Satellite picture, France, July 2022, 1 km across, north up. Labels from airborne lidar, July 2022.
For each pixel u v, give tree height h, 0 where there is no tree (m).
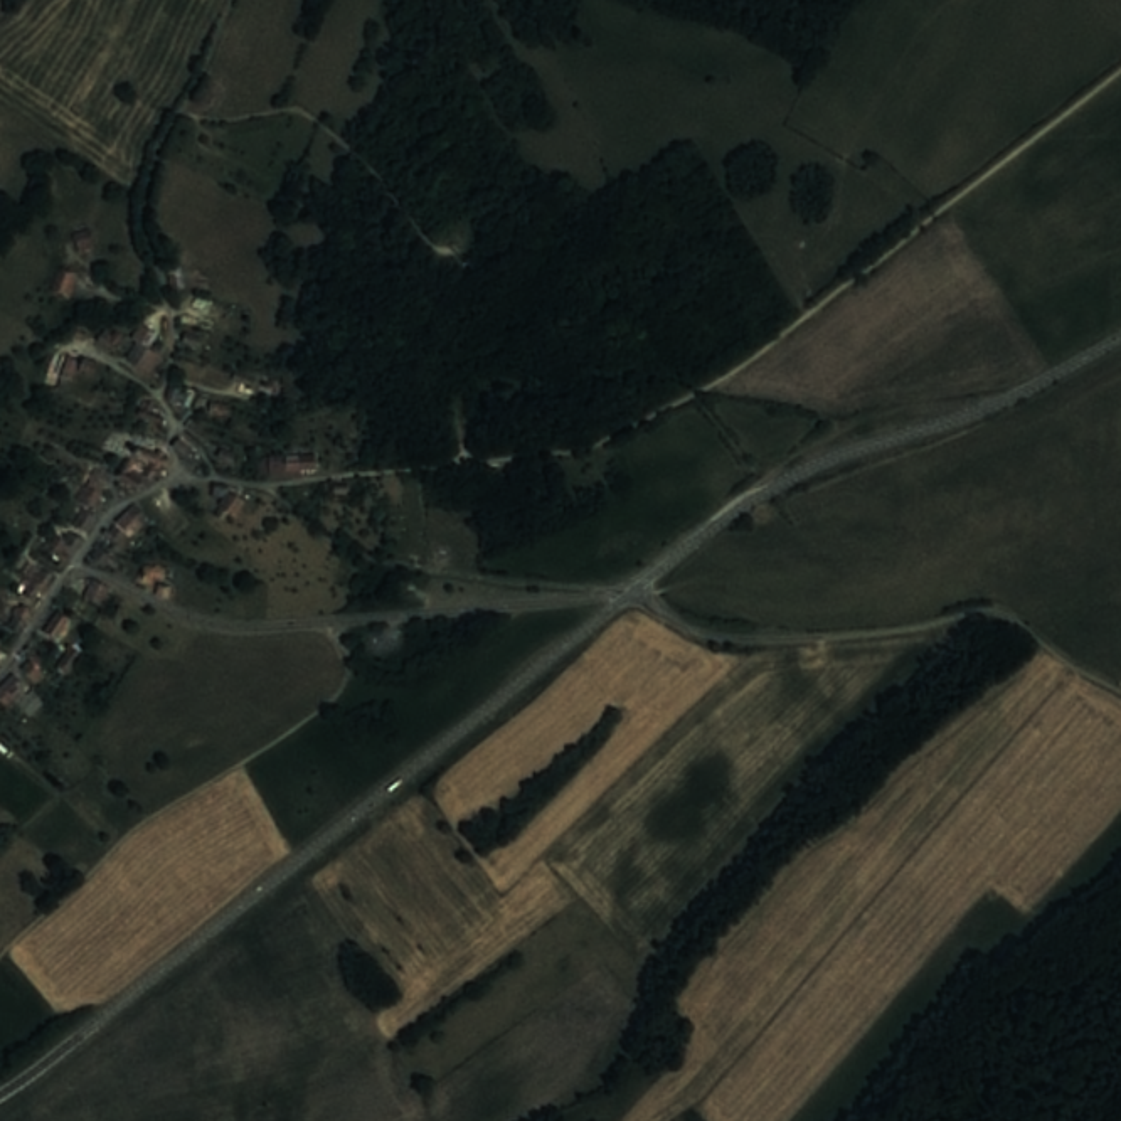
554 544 0
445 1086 0
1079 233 0
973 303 0
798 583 0
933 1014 15
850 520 0
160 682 0
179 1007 0
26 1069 0
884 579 0
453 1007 14
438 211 9
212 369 0
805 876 0
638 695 0
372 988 16
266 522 8
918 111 0
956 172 0
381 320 20
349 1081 0
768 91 0
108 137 0
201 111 0
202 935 0
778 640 0
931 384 0
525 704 0
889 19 0
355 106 0
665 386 10
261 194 0
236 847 0
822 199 16
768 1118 0
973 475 0
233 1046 0
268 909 0
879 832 0
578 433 19
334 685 0
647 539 0
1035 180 0
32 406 16
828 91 0
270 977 0
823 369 0
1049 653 0
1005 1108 26
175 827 0
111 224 0
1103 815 0
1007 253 0
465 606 0
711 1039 0
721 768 0
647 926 0
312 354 17
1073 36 0
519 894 0
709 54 0
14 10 17
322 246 7
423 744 0
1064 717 0
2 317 0
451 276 18
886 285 0
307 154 8
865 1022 0
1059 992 6
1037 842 0
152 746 0
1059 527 0
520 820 12
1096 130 0
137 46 0
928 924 0
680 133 0
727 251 10
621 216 14
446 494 14
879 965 0
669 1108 0
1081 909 21
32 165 16
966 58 0
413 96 10
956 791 0
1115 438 0
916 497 0
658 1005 24
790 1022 0
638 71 0
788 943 0
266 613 0
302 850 0
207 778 0
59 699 10
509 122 14
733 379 0
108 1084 0
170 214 0
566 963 0
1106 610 0
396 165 15
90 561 6
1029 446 0
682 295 24
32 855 0
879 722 15
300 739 0
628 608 0
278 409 15
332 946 0
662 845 0
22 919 0
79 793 0
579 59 0
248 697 0
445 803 0
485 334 20
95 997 0
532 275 20
